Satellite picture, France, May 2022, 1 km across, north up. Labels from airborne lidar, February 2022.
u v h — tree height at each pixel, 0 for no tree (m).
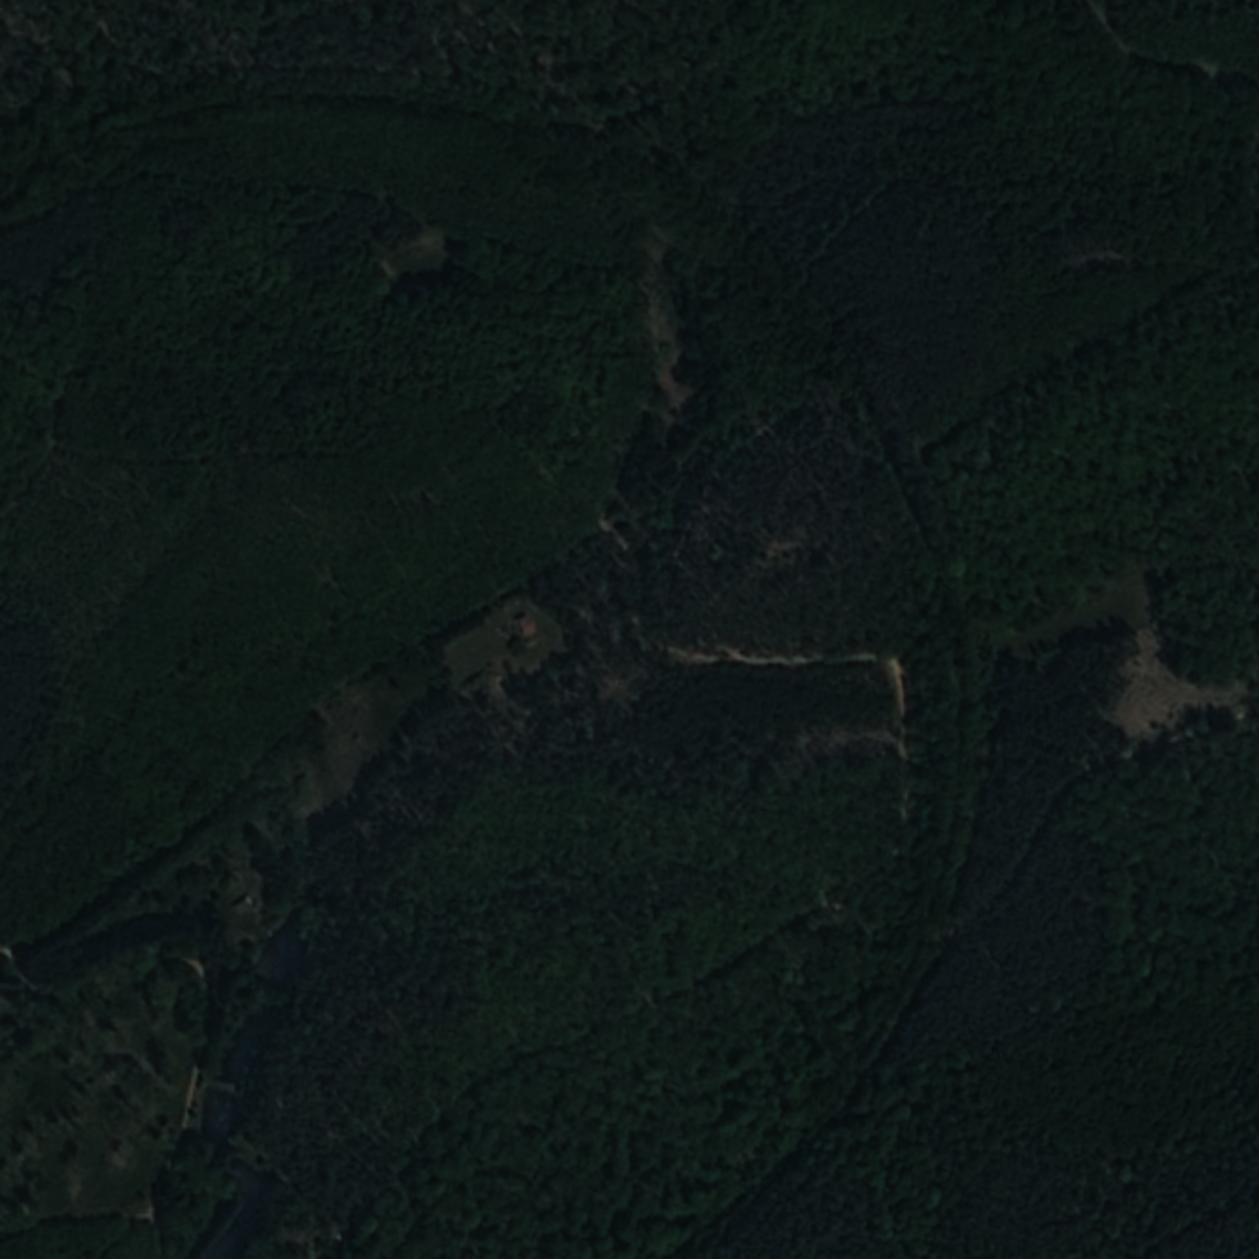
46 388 27
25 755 20
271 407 24
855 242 24
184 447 20
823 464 29
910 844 20
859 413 17
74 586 0
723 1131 29
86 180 17
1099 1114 22
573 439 26
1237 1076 27
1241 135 27
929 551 24
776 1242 27
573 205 23
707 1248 22
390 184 18
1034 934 27
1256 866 29
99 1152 0
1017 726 25
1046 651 15
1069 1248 27
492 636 0
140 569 0
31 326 30
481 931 26
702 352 22
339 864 28
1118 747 21
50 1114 0
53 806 20
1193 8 19
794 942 27
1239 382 26
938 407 16
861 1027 17
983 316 21
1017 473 23
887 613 31
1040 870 26
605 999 29
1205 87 27
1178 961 33
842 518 28
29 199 22
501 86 24
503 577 19
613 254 23
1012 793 25
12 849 18
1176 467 29
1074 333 0
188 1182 32
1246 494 31
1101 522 28
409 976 26
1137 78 27
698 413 16
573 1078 29
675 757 25
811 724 7
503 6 27
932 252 22
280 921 0
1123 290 0
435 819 25
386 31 17
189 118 17
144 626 15
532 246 21
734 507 31
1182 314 29
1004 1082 21
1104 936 29
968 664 19
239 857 0
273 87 17
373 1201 29
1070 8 23
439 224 22
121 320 0
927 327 21
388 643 17
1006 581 32
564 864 28
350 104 19
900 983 20
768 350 29
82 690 0
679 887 26
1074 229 30
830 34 21
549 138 14
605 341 19
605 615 31
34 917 15
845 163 30
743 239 21
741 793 26
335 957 29
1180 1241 26
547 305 24
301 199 26
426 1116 23
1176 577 26
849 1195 28
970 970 25
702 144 35
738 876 24
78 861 16
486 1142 29
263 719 19
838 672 9
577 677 29
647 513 27
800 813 27
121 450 0
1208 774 31
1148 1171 27
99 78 27
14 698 23
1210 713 0
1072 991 24
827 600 23
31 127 28
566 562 30
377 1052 29
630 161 16
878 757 27
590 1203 28
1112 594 0
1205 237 30
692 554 28
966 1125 32
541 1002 22
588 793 22
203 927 26
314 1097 29
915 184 28
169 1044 0
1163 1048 26
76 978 28
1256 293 31
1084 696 26
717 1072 32
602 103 23
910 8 27
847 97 28
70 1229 14
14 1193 0
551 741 25
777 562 10
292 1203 23
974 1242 27
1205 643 28
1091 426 30
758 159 25
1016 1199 26
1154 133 27
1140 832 27
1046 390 27
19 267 17
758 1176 17
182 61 7
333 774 0
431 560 12
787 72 20
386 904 21
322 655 16
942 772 17
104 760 18
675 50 26
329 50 23
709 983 28
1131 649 29
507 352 17
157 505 0
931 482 9
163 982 26
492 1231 28
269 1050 27
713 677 11
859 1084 33
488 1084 28
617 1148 30
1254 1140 26
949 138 27
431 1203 30
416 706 0
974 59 29
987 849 27
